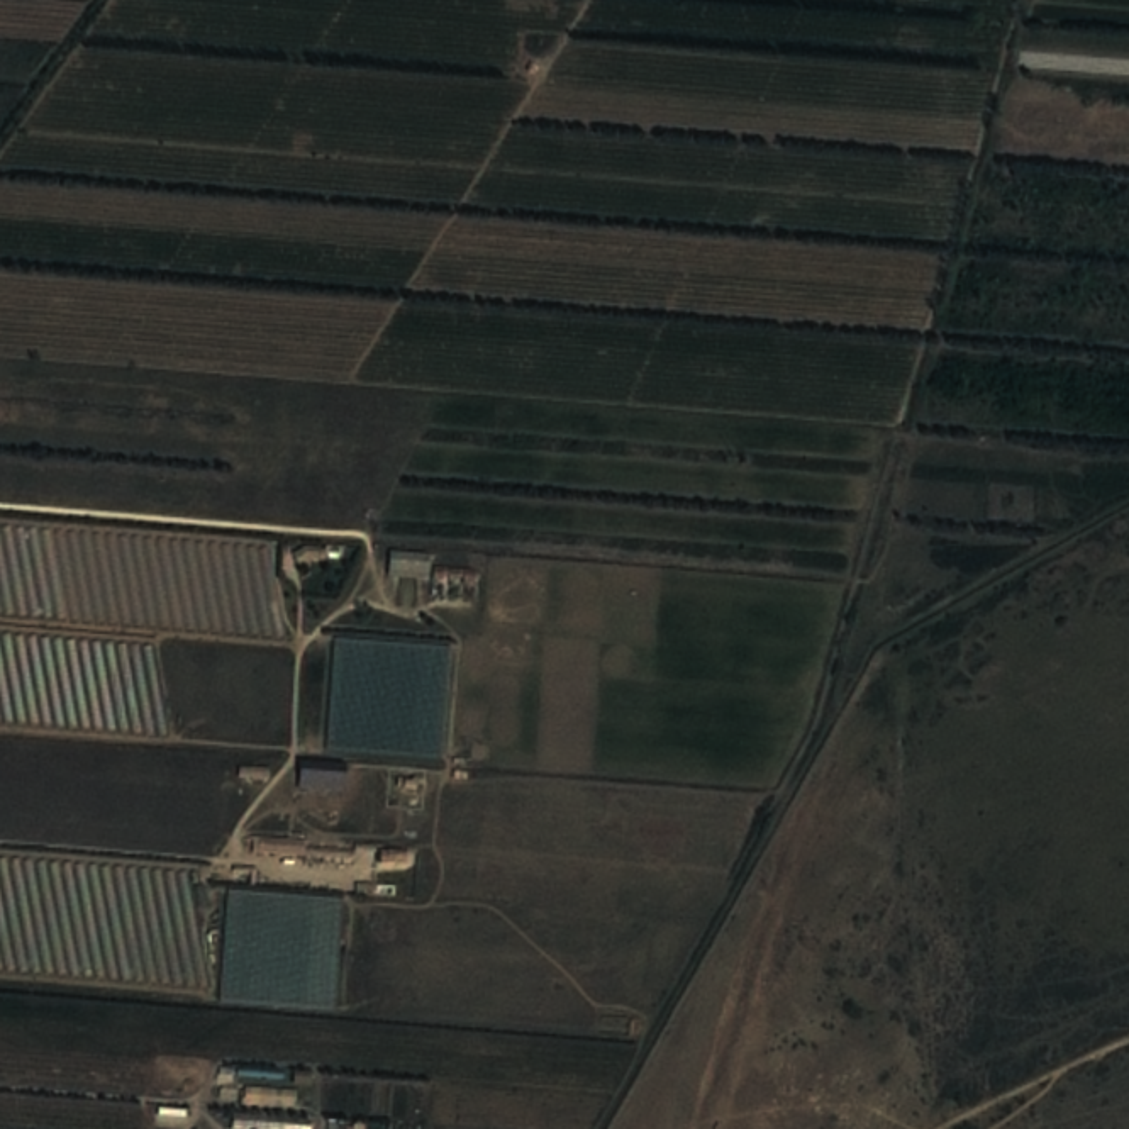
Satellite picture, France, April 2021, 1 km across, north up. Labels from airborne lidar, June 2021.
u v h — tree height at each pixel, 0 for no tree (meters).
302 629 0
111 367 0
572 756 0
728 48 21
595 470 0
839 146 11
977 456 0
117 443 0
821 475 0
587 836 0
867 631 0
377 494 0
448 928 0
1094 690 0
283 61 21
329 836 0
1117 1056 0
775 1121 0
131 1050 0
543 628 0
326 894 7
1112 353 12
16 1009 0
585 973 0
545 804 0
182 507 0
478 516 0
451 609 0
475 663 0
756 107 0
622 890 0
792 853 0
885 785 0
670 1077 0
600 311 13
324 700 0
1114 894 0
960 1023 0
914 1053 0
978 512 0
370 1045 0
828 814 0
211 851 0
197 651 0
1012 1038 0
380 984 0
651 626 0
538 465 0
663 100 0
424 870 0
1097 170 12
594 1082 0
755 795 0
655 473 0
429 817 0
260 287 16
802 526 0
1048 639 0
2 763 0
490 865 0
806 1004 0
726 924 0
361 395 0
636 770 0
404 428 0
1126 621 0
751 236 14
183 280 14
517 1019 0
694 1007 0
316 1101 0
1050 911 0
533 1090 0
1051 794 0
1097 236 8
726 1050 0
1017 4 14
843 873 0
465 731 0
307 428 0
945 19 24
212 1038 0
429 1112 0
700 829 0
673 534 0
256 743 0
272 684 0
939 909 0
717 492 0
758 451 0
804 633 0
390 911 0
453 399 0
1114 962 0
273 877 0
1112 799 0
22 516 6
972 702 0
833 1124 0
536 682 0
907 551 0
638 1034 0
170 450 0
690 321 14
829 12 25
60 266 11
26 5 0
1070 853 0
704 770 0
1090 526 0
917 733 0
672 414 0
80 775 0
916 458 0
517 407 0
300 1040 0
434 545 0
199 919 0
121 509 0
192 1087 0
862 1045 0
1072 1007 0
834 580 0
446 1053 0
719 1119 0
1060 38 0
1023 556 0
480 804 0
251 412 0
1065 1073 0
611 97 0
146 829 0
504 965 0
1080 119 0
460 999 0
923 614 0
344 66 22
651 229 13
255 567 0
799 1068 0
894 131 0
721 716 0
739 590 0
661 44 20
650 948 0
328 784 0
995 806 0
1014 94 0
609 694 0
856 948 0
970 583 0
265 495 0
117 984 0
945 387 12
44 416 0
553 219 14
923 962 0
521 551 0
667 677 0
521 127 6
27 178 16
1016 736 0
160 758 0
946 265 13
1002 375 10
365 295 14
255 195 12
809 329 12
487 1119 0
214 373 0
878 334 12
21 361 0
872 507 0
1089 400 12
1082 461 0
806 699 0
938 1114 0
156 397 0
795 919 0
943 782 0
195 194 18
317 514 0
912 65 24
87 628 0
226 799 0
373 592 0
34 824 0
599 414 0
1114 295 6
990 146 0
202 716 0
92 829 0
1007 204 7
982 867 0
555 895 0
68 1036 0
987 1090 0
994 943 0
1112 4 0
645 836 0
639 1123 0
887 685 0
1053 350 15
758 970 0
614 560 0
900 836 0
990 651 0
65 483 0
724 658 0
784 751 0
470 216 15
